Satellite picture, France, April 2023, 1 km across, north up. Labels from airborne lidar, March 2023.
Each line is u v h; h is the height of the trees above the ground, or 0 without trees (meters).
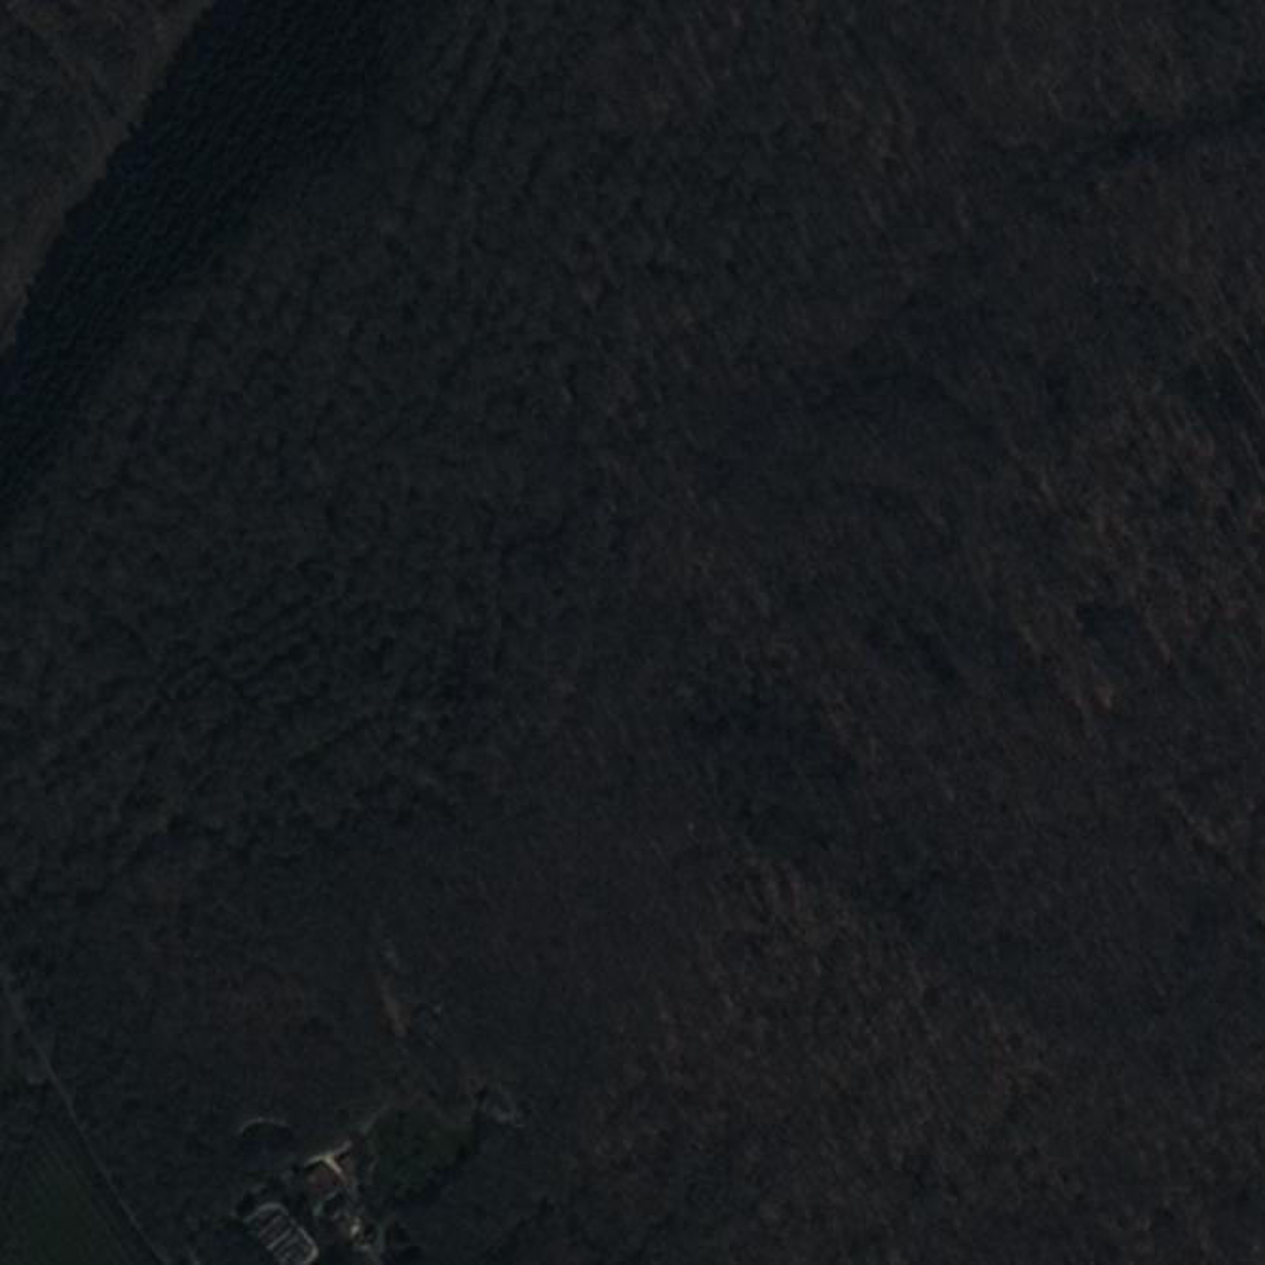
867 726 18
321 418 21
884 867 16
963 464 25
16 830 23
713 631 21
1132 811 17
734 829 19
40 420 23
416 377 23
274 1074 28
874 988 18
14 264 24
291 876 25
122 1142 21
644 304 25
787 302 26
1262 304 18
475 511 24
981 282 19
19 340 0
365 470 20
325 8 24
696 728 24
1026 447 16
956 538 12
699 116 25
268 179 26
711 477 24
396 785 16
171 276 22
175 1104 21
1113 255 17
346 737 20
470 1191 20
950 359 23
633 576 15
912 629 21
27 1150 11
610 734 23
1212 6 19
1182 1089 25
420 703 23
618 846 23
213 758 25
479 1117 0
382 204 21
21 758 25
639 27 28
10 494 23
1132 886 18
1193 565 18
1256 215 19
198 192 22
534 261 18
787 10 26
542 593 23
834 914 19
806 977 20
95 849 24
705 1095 24
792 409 22
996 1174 25
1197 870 20
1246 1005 23
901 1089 25
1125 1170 24
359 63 22
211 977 24
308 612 22
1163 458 21
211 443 25
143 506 25
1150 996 22
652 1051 22
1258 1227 27
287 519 27
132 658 23
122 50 26
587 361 27
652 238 25
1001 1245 20
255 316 15
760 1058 26
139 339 18
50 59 26
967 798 19
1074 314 20
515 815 24
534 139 23
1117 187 19
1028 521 18
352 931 26
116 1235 8
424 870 26
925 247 26
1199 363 11
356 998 26
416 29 21
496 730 21
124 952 23
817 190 27
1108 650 17
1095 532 21
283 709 24
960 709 12
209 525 20
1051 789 16
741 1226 25
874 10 29
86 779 25
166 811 24
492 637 16
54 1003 26
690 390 24
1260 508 17
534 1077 24
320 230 21
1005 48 24
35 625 26
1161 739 22
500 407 22
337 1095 26
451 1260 18
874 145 26
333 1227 11
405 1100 20
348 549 23
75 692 25
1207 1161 20
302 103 23
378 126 23
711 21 26
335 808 23
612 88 27
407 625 22
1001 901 22
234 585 18
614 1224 22
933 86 26
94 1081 17
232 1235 18
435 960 26
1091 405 18
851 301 25
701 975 25
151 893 20
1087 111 24
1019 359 24
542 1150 21
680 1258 21
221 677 19
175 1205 20
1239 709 21
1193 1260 23
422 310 19
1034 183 21
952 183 27
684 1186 23
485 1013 25
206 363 25
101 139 25
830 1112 12
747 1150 23
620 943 22
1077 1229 13
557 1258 25
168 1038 23
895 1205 27
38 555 21
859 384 21
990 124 24
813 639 15
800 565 20
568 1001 23
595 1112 23
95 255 25
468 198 26
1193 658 8
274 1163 19
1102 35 23
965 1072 23
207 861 24
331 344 24
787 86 27
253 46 26
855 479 13
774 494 20
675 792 21
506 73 22
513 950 21
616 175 24
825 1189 26
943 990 19
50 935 23
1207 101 14
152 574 23
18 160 31
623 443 21
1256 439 13
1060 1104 27
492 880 21
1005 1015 19
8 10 23
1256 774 27
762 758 24
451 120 23
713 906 24
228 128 24
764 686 23
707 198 27
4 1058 26
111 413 14
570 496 20
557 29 21
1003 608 17
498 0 27
